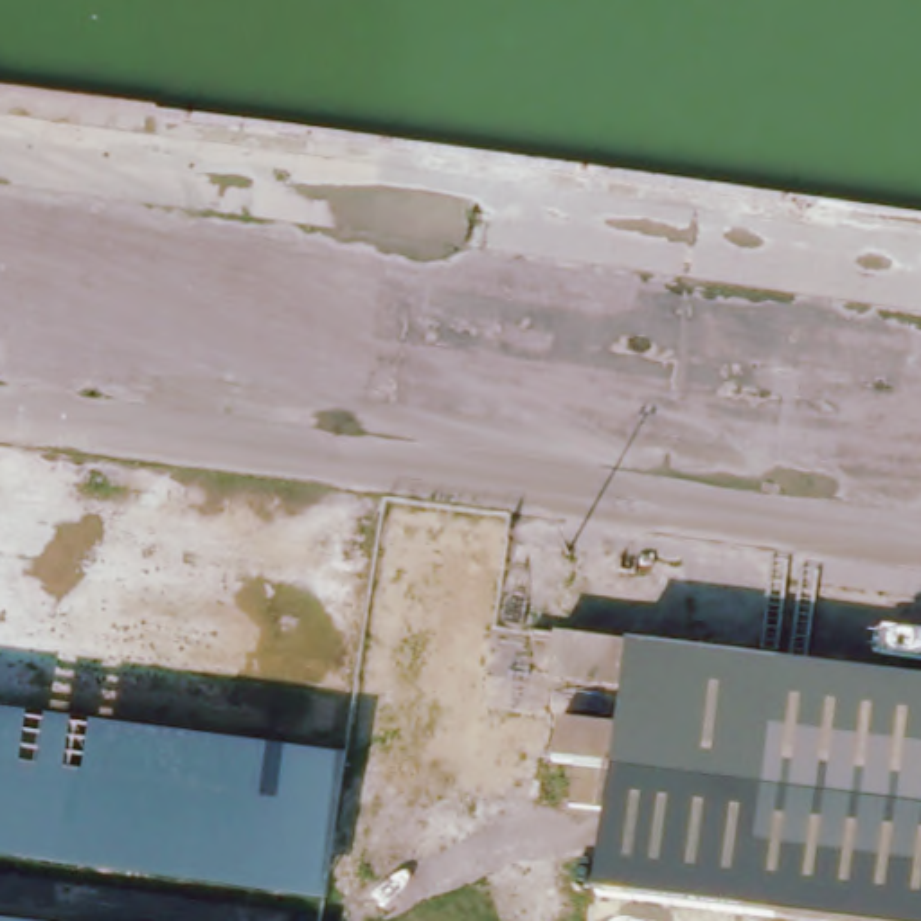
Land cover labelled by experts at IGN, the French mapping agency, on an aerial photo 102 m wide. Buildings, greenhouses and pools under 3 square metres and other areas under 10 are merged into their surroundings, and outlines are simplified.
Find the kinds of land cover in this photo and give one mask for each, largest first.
<instances>
[{"label":"impervious surface","instance_id":"1","mask_svg":"<svg viewBox=\"0 0 921 921\"><path fill-rule=\"evenodd\" d=\"M622 633L734 644L921 673V212L0 83V705L47 716L108 723L119 720L331 748L342 766L331 813V842L324 853V871L335 878V889L324 892V907H317L313 921H371L392 917L421 899L443 896L475 878L489 881V896L500 921H558V881L568 874V867H576V860L594 845L601 824L604 766L612 752L608 716L615 712L608 691L619 687ZM586 921H752L673 914L651 903H608L597 889Z\"/></svg>","mask_w":921,"mask_h":921},{"label":"building","instance_id":"2","mask_svg":"<svg viewBox=\"0 0 921 921\"><path fill-rule=\"evenodd\" d=\"M619 687L608 691L615 712L608 716L612 752L604 766L601 824L594 845L576 860V878L597 881V889L608 903H651L673 914L752 921H921V673L734 644L622 633ZM342 766L331 748L119 720L108 723L47 716L0 705V921H313L317 907H324V892L335 889V878L324 871V853L331 842V813Z\"/></svg>","mask_w":921,"mask_h":921},{"label":"water","instance_id":"3","mask_svg":"<svg viewBox=\"0 0 921 921\"><path fill-rule=\"evenodd\" d=\"M0 83L921 212V0H0Z\"/></svg>","mask_w":921,"mask_h":921},{"label":"herbaceous vegetation","instance_id":"4","mask_svg":"<svg viewBox=\"0 0 921 921\"><path fill-rule=\"evenodd\" d=\"M597 889V881L576 878V867H568V874L558 881V921H586ZM371 921H500L489 896V881L475 878L443 896L421 899L392 917Z\"/></svg>","mask_w":921,"mask_h":921}]
</instances>
